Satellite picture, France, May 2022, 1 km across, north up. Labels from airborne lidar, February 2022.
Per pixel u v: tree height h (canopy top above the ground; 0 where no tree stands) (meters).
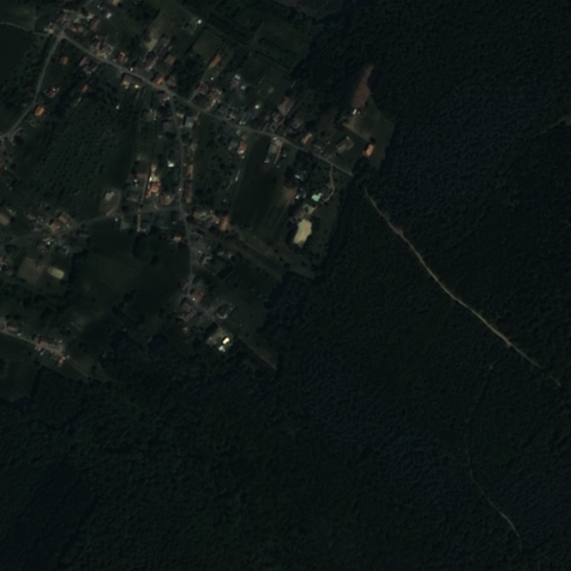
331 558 17
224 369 13
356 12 28
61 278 0
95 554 25
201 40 0
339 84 18
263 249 0
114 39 0
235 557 31
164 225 0
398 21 25
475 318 11
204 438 13
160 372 14
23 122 0
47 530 16
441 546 24
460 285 12
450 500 27
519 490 27
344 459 18
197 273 0
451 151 23
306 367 29
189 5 10
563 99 11
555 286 14
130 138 0
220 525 29
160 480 29
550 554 29
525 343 16
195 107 0
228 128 0
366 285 12
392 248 14
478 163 23
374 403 23
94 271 0
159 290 0
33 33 6
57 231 0
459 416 10
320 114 8
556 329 18
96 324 0
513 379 16
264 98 0
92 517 23
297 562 19
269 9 10
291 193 0
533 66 19
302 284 21
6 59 0
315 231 9
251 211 0
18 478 14
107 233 0
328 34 17
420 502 22
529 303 15
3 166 0
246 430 18
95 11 0
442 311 14
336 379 25
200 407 23
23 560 12
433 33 25
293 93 6
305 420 22
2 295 7
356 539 17
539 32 20
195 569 24
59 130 6
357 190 13
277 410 31
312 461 13
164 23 0
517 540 25
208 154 0
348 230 14
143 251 23
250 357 15
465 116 19
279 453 17
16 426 27
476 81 20
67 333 7
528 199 15
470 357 11
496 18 24
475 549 23
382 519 18
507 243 10
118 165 0
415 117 19
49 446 29
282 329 26
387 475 30
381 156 0
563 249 10
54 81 0
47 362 0
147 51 0
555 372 20
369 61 25
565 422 23
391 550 19
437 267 15
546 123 8
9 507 13
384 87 23
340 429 25
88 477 25
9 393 0
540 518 24
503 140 24
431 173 26
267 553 16
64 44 8
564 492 19
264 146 0
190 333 5
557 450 23
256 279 0
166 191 13
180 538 28
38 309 9
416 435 24
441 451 20
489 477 17
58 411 11
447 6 26
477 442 16
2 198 0
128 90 0
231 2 7
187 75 17
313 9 7
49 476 15
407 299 17
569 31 21
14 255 15
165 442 30
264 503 23
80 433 32
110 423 16
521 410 14
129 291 0
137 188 0
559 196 16
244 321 0
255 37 0
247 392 26
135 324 18
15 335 0
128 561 23
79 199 0
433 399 17
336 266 17
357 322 14
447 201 24
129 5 0
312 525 16
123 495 28
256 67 0
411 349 15
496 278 9
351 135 0
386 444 26
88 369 0
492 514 24
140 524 25
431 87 23
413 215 22
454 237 11
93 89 24
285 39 0
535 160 6
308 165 20
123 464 28
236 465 24
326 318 17
